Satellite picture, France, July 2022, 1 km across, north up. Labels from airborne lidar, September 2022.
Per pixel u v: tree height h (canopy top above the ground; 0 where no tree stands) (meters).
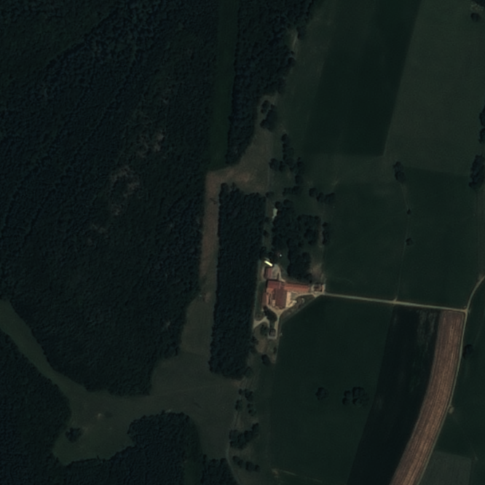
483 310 0
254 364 0
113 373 11
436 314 0
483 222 0
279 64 12
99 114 18
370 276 0
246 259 15
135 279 14
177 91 8
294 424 0
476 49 0
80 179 20
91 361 18
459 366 0
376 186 0
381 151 0
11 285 20
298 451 0
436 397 0
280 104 0
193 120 17
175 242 14
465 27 0
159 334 14
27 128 22
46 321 15
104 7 21
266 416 0
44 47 16
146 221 16
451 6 0
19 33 17
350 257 0
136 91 14
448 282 0
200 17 15
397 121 0
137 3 36
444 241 0
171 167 20
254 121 19
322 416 0
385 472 0
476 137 0
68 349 20
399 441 0
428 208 0
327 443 0
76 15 14
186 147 20
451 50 0
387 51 0
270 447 0
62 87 27
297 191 17
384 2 0
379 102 0
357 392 16
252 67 37
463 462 0
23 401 17
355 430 0
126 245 17
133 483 24
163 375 0
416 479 0
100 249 15
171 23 21
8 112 21
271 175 0
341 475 0
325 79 0
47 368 0
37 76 21
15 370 11
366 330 0
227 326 21
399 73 0
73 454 0
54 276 12
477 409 0
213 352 15
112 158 14
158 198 14
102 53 7
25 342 0
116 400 0
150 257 10
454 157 0
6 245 16
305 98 0
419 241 0
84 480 14
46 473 21
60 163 19
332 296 0
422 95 0
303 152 0
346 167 0
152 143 11
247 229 16
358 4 0
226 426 0
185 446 21
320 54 0
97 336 11
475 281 0
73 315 10
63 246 12
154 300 19
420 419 0
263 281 0
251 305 19
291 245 21
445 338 0
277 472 0
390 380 0
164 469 21
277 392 0
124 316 11
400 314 0
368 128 0
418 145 0
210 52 15
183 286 15
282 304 0
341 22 0
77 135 18
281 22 7
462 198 0
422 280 0
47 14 19
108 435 0
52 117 29
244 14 18
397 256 0
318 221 17
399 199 0
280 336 0
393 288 0
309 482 0
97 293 7
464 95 0
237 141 22
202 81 13
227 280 18
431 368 0
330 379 0
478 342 0
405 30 0
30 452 16
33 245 13
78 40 20
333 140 0
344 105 0
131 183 17
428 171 0
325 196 14
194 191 13
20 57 17
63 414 19
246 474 0
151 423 17
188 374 0
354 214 0
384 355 0
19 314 17
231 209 18
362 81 0
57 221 12
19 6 8
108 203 13
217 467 15
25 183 19
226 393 0
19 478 20
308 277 19
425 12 0
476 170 20
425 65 0
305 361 0
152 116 18
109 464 12
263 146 0
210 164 12
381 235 0
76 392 0
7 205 24
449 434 0
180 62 10
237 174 0
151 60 14
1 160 23
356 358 0
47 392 17
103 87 16
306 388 0
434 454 0
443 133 0
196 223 23
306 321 0
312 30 0
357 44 0
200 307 0
